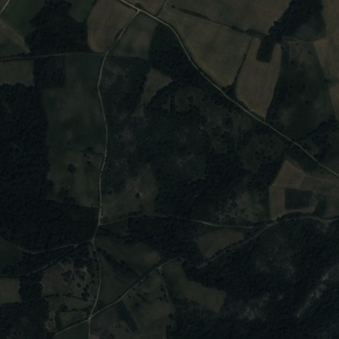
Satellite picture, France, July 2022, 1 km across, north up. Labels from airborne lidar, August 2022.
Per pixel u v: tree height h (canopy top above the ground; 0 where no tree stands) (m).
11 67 0
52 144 0
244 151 0
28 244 11
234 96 13
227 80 0
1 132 11
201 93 0
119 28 0
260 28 0
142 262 0
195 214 9
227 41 0
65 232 11
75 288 0
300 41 0
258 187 6
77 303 0
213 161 19
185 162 0
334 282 9
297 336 14
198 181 12
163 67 6
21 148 16
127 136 0
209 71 0
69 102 0
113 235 10
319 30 0
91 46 0
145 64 6
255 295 14
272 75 0
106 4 0
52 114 0
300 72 0
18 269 22
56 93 0
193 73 15
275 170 11
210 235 0
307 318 8
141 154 9
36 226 7
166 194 13
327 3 0
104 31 0
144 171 0
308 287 10
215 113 0
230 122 9
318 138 12
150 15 0
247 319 8
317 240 11
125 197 0
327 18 0
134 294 0
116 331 0
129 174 0
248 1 0
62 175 0
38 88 14
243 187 0
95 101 0
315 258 19
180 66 16
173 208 6
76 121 0
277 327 22
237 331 22
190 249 6
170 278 0
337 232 12
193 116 14
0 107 6
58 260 6
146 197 0
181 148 7
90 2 0
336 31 0
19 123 16
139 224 13
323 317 18
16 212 20
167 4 0
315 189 0
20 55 11
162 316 0
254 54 0
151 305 0
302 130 0
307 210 0
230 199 8
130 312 7
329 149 10
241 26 0
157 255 0
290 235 9
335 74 0
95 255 15
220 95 9
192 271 16
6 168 16
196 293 0
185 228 9
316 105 0
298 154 8
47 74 12
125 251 0
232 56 0
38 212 20
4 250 0
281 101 11
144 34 0
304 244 7
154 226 7
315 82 0
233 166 18
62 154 0
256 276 18
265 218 0
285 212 0
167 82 0
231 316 7
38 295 13
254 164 0
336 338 10
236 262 23
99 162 0
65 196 6
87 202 0
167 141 13
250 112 0
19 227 22
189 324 7
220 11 0
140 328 0
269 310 10
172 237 16
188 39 0
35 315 5
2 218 21
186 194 16
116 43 0
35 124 7
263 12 0
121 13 0
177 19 0
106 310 0
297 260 9
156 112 14
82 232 5
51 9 13
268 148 0
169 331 15
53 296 7
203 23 0
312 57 0
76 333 0
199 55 0
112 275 0
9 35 0
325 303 17
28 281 18
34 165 14
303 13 9
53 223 22
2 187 12
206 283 9
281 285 24
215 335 17
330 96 0
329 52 0
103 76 0
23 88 19
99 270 8
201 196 16
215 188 15
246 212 0
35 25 8
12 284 0
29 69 0
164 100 11
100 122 0
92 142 0
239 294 8
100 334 0
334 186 0
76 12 0
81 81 0
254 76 0
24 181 18
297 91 0
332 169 0
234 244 9
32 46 8
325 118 0
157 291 0
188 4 0
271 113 11
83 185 0
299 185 0
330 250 19
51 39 6
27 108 14
